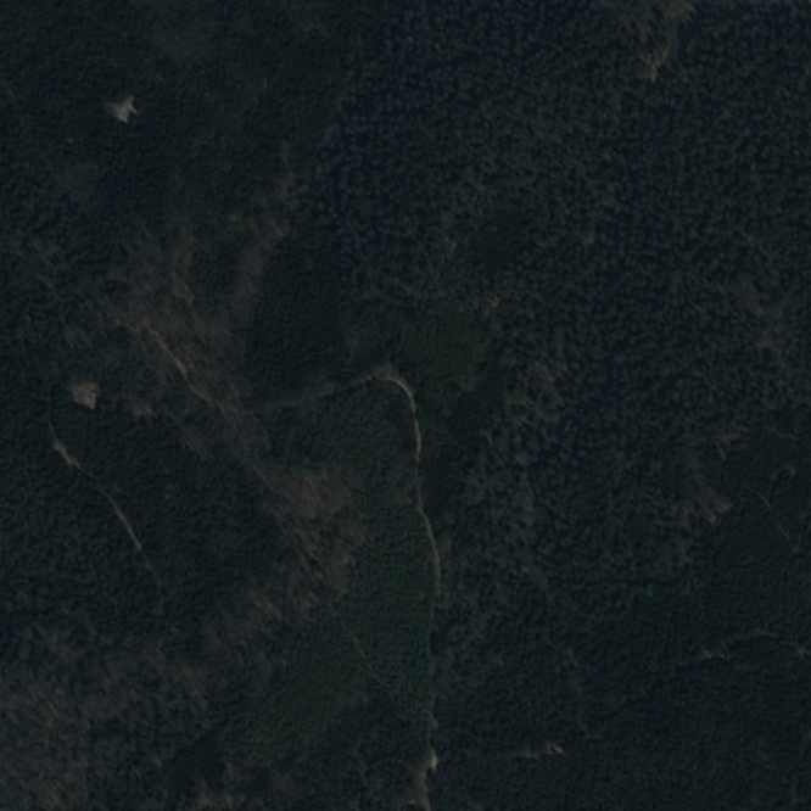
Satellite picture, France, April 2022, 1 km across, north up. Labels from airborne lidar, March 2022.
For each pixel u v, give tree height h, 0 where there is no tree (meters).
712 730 29
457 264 9
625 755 22
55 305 19
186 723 17
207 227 16
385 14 23
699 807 27
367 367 17
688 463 12
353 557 11
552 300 32
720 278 25
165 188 27
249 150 17
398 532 19
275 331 22
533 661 22
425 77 20
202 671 23
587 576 18
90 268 22
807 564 14
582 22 32
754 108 25
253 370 21
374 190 31
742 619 21
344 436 19
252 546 22
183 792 11
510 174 31
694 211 29
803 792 21
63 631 23
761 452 15
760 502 14
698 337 17
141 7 22
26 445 24
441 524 18
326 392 19
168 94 18
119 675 33
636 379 28
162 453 25
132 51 19
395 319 13
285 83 21
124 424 20
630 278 33
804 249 30
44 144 32
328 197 22
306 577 23
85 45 18
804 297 36
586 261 34
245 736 18
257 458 23
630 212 35
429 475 17
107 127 18
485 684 23
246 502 23
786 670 21
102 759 9
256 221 22
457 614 18
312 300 22
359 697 13
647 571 19
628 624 17
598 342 37
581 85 27
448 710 23
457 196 21
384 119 32
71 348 26
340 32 15
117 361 23
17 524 25
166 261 17
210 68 19
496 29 23
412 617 16
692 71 31
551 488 34
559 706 27
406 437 16
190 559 25
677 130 18
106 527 26
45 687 30
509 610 17
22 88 22
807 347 32
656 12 6
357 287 25
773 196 32
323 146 22
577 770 23
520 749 20
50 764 32
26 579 27
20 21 19
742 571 20
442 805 25
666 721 20
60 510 23
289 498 22
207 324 17
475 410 17
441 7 14
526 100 36
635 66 32
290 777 19
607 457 30
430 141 26
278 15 24
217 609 24
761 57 27
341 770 24
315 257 21
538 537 20
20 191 29
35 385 26
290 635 25
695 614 22
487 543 18
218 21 24
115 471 18
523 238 21
